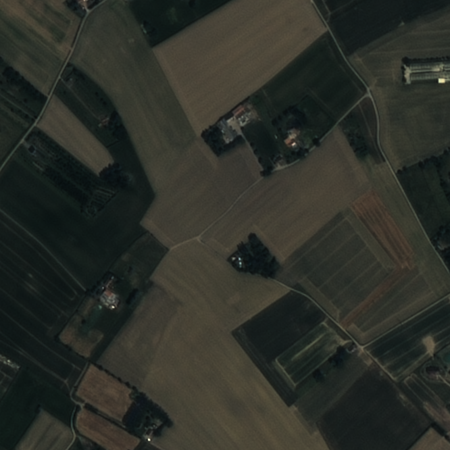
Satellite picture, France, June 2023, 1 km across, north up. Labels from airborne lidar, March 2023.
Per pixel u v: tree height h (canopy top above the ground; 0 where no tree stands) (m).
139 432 0
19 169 0
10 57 0
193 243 0
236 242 0
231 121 0
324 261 0
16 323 0
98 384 0
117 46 0
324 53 0
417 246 0
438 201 0
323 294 0
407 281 0
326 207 0
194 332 0
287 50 0
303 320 0
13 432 0
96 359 0
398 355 0
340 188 0
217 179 0
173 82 0
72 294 0
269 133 0
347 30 0
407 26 0
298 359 0
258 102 0
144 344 0
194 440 0
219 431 0
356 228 0
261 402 0
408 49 0
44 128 0
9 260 0
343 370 0
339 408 0
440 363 0
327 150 0
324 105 0
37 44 0
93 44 0
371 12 0
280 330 0
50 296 0
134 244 0
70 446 0
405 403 0
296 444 0
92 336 0
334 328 0
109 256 0
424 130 0
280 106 0
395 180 0
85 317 0
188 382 0
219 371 0
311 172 0
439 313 0
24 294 0
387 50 0
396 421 0
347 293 0
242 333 0
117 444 0
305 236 0
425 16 0
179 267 0
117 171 15
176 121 0
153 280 0
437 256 0
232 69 0
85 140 0
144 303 0
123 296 0
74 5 15
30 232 0
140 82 0
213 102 0
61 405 0
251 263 19
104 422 0
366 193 0
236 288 0
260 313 0
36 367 0
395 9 0
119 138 12
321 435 0
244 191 0
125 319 0
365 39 0
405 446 0
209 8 0
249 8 0
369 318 0
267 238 0
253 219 0
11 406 0
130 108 0
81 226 0
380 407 0
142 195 0
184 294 0
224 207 0
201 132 0
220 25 0
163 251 0
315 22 0
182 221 0
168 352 0
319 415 0
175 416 0
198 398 0
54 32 0
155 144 0
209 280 0
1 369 0
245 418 0
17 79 12
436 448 0
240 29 0
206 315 0
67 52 0
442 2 0
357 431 0
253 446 0
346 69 0
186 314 0
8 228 0
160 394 0
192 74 0
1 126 0
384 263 0
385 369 0
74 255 0
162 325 0
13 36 0
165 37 0
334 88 0
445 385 0
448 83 0
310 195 0
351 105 0
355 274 0
